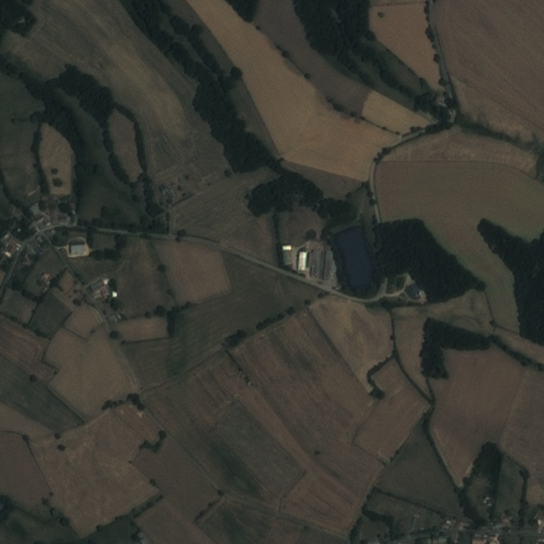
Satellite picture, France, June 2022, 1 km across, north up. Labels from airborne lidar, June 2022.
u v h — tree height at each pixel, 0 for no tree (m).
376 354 0
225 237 0
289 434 0
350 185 0
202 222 0
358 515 0
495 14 0
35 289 0
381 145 0
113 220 0
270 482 0
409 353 0
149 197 12
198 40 13
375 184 0
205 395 0
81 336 0
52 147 0
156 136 0
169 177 0
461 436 0
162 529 0
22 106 0
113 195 0
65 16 0
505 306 0
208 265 0
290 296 0
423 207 0
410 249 21
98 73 0
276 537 0
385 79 18
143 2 18
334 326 0
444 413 0
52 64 0
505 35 0
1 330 0
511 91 0
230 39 0
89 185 0
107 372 0
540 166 0
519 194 0
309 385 0
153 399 0
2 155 0
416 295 0
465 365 0
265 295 0
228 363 0
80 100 8
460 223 0
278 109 0
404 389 0
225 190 0
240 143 20
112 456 0
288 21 0
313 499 0
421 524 0
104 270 0
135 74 0
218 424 0
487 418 0
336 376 0
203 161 0
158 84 0
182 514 0
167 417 0
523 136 0
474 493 0
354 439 0
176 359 0
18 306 0
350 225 0
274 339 0
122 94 0
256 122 0
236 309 0
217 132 15
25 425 0
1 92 0
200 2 0
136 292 0
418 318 0
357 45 17
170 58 14
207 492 0
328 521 0
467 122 0
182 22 17
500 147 0
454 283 18
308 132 0
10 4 17
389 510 0
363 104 0
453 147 0
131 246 0
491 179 0
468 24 0
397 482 0
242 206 0
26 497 0
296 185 14
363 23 16
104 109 10
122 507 0
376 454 0
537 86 0
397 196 0
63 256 0
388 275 18
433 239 14
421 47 0
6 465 0
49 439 0
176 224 0
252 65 0
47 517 0
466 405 0
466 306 0
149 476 0
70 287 0
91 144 0
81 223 13
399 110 0
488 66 0
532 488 0
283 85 0
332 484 0
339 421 0
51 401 0
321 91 0
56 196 0
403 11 0
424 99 15
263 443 0
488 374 0
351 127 0
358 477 0
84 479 0
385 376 0
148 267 0
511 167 0
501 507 0
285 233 0
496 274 0
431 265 20
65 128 20
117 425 0
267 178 0
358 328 0
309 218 0
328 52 13
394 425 0
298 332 0
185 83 0
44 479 0
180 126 0
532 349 0
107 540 0
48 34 0
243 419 0
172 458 0
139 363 0
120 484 0
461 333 20
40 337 10
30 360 0
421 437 0
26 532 0
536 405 0
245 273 0
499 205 0
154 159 0
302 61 0
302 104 0
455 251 0
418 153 0
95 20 0
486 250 0
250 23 14
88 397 0
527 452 0
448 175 0
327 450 0
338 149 0
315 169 0
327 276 0
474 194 0
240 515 0
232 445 0
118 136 0
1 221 13
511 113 0
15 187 0
